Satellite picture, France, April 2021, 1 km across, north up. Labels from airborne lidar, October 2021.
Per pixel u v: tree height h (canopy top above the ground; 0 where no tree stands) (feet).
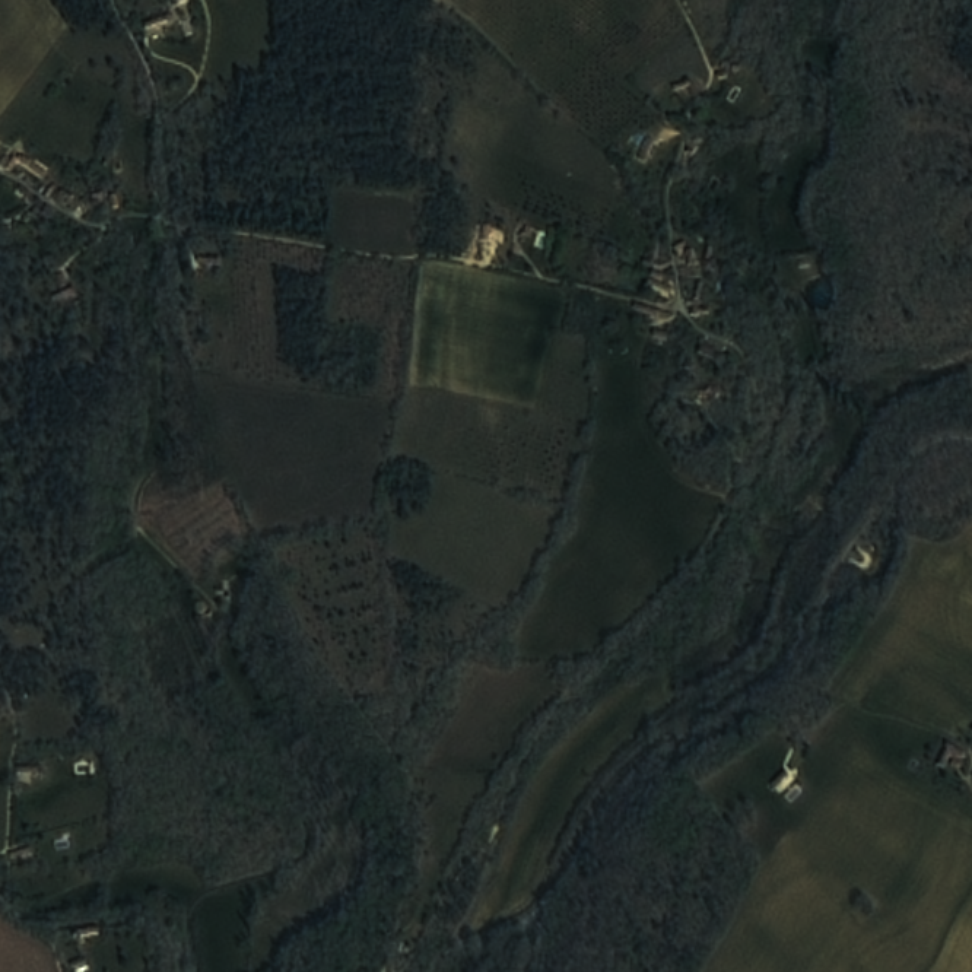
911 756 0
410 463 25
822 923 0
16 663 51
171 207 52
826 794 0
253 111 47
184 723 52
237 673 0
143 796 59
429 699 45
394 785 50
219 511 0
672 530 0
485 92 0
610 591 0
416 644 23
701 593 63
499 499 0
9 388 32
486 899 0
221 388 0
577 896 36
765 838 0
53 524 42
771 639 68
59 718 0
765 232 28
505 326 0
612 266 50
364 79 39
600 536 0
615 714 0
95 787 0
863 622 51
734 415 63
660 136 0
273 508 0
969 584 0
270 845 30
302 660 64
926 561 0
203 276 25
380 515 40
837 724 0
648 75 0
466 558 0
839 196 46
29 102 0
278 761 75
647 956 48
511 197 0
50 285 24
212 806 51
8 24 0
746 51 47
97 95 0
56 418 68
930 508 45
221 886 44
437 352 0
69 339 23
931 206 47
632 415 0
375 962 43
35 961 0
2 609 54
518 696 0
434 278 0
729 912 42
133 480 67
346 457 0
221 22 0
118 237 39
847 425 0
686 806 57
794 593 21
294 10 51
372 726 31
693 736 30
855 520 43
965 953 0
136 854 53
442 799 0
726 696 42
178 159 34
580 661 48
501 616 44
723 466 66
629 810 41
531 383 0
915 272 49
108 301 64
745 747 50
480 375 0
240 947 51
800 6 67
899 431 48
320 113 33
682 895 64
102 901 73
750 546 66
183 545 0
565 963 40
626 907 42
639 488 0
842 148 64
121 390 76
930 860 0
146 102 52
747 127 32
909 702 0
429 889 0
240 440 0
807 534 34
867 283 45
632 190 40
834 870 0
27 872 44
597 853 40
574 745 0
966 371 39
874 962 0
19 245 38
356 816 77
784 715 57
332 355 33
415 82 23
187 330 28
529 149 0
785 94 39
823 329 55
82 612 41
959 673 0
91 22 34
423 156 28
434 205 31
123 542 62
